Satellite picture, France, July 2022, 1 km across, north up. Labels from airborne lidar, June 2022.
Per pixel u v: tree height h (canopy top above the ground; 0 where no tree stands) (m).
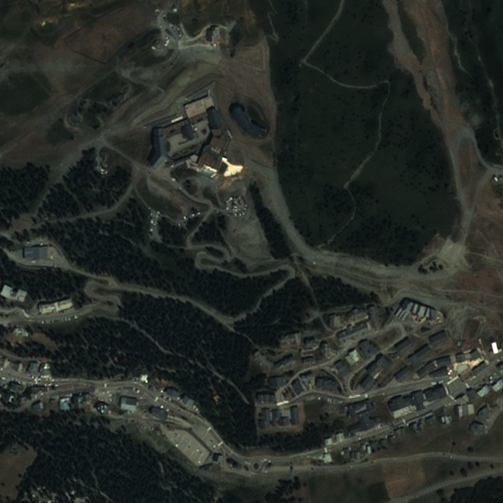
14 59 0
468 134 0
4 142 0
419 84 0
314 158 0
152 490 18
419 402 0
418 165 7
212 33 0
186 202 0
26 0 0
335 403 0
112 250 15
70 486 20
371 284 0
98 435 18
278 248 15
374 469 0
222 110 0
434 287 0
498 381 0
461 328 0
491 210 0
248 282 13
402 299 0
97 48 0
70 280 21
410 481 0
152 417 0
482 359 0
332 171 0
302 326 14
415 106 0
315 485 0
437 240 0
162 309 18
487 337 0
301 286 11
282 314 9
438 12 0
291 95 0
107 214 0
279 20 0
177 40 0
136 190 0
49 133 0
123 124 0
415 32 0
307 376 0
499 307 0
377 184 0
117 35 0
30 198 18
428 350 0
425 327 0
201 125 0
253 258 0
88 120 0
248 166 0
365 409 0
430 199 0
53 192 18
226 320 0
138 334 22
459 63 0
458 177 0
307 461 0
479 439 0
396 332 0
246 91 0
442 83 0
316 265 0
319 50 0
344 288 10
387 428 0
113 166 0
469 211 0
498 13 0
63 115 0
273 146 0
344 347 0
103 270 20
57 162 0
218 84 0
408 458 0
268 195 0
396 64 0
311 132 0
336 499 0
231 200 0
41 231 9
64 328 0
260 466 0
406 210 0
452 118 0
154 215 0
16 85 0
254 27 0
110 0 0
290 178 7
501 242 0
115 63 0
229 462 8
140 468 22
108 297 0
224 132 0
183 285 9
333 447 0
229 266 11
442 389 0
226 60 0
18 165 0
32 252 0
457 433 0
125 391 0
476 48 0
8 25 0
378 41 0
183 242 12
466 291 0
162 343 16
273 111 0
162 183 0
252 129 0
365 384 0
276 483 0
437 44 0
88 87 0
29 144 0
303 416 0
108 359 22
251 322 19
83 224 9
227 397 7
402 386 0
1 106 0
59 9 0
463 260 0
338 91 0
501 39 0
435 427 0
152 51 0
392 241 9
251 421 11
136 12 0
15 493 0
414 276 0
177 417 0
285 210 0
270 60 0
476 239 0
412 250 12
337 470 0
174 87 0
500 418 0
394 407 0
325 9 0
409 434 0
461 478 0
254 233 0
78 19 0
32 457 0
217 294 14
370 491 0
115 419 0
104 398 0
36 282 9
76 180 13
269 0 0
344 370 0
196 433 0
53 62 0
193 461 0
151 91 0
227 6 0
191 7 0
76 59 0
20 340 0
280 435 16
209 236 12
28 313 0
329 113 0
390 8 0
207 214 0
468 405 0
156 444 0
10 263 13
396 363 0
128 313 17
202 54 0
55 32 0
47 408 0
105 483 15
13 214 17
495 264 0
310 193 0
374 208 0
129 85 0
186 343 15
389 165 0
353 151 0
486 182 0
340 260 0
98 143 0
